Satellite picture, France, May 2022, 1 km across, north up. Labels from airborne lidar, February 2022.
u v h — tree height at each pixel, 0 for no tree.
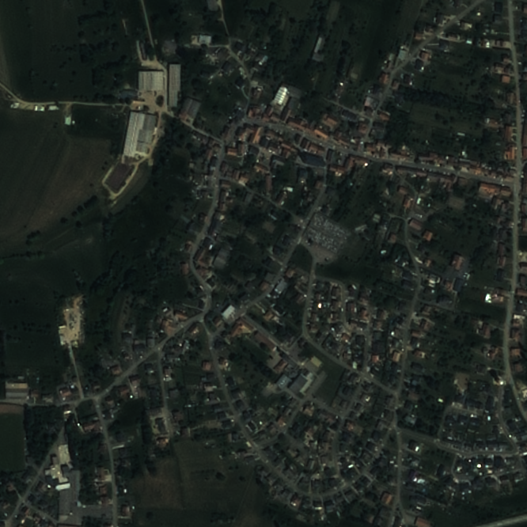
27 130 0
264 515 8
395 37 0
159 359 0
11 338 13
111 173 0
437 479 0
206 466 0
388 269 0
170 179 0
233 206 0
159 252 7
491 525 0
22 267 0
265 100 0
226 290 0
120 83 15
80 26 6
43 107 0
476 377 0
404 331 0
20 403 0
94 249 0
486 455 0
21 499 0
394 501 0
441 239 8
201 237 0
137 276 15
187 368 0
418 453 0
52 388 0
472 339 0
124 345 0
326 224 0
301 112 0
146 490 0
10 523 0
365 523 17
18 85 0
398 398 0
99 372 18
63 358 0
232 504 0
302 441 0
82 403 0
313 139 0
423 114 0
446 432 0
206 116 0
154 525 0
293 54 13
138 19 0
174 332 0
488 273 0
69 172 0
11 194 0
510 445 0
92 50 21
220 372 0
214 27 0
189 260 0
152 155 0
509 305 0
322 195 0
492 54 0
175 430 0
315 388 0
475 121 0
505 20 0
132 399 0
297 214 8
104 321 13
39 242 0
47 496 0
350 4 0
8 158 0
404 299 0
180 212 0
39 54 0
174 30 0
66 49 7
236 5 0
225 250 0
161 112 0
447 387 0
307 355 0
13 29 0
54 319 0
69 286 0
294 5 0
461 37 0
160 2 0
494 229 10
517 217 0
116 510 0
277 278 0
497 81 0
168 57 0
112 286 0
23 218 0
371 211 0
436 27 7
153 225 0
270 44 6
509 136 0
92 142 0
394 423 0
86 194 0
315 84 0
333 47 0
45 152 0
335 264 0
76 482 0
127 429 0
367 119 0
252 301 0
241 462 0
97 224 0
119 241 0
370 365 0
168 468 0
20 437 0
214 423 0
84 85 0
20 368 0
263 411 0
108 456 0
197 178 0
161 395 6
